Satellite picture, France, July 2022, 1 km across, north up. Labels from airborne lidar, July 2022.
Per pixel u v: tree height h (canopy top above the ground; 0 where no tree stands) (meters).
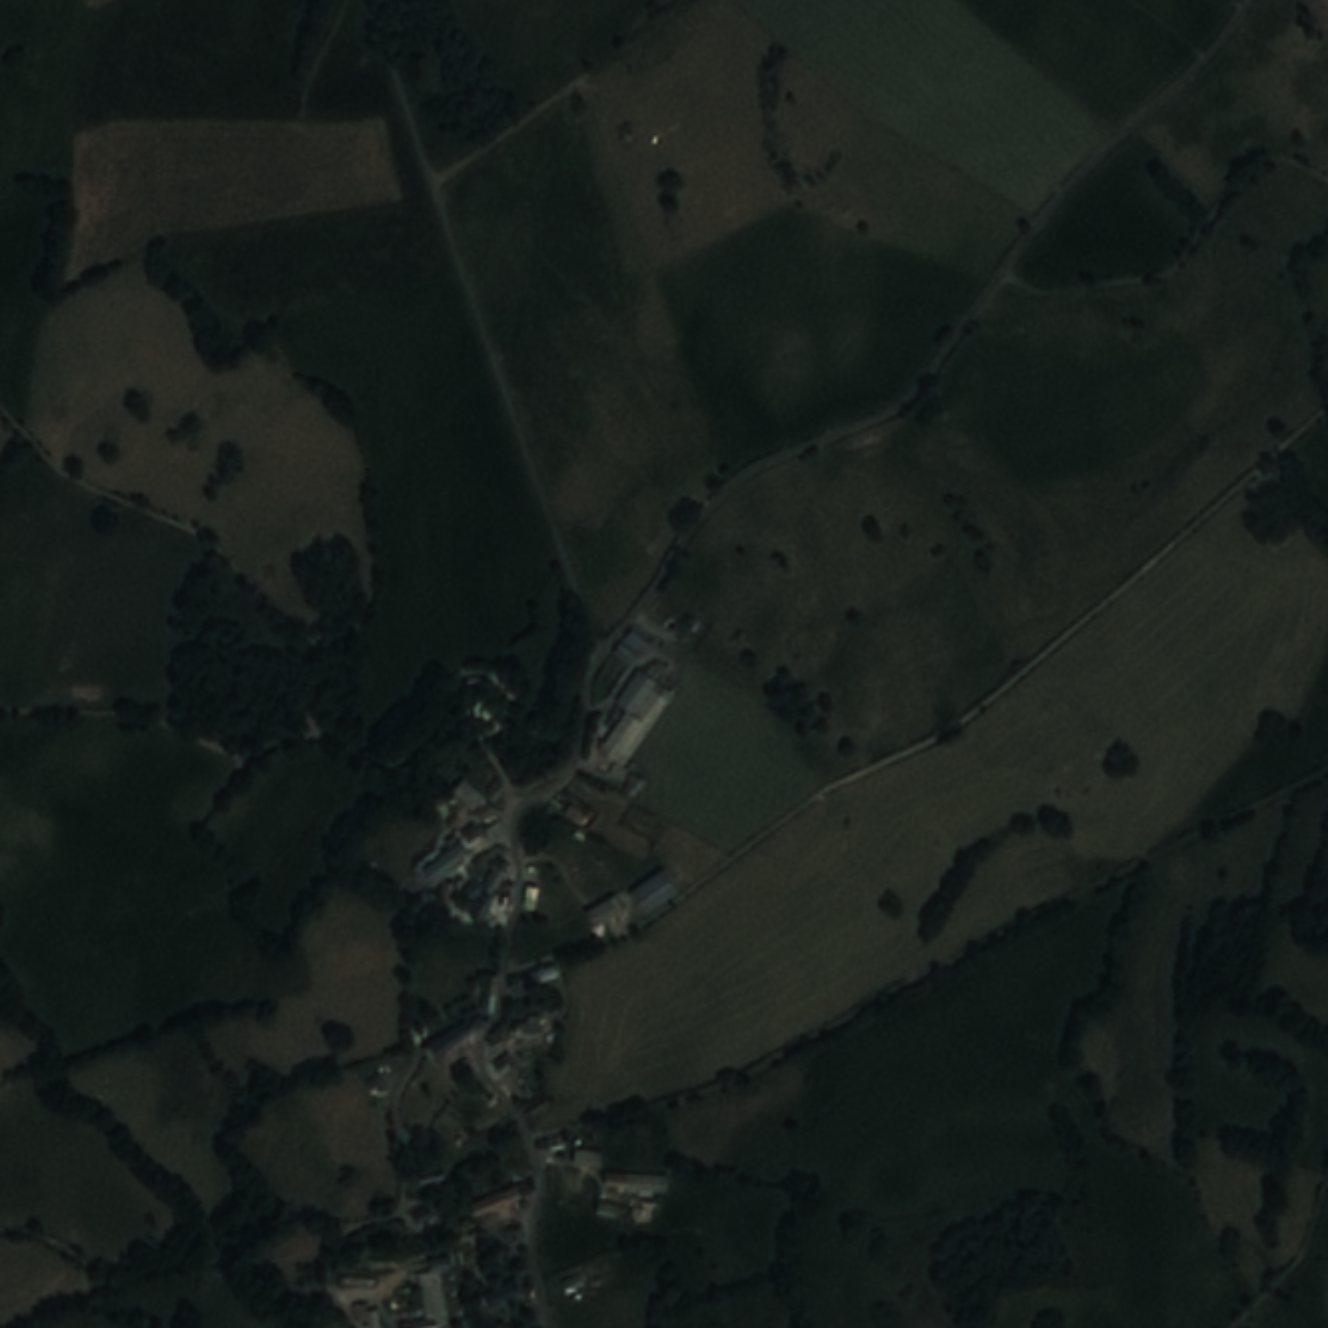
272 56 0
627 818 0
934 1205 0
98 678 0
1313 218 0
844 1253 0
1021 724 0
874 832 0
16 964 0
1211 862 0
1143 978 0
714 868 0
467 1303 13
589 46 0
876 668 0
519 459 0
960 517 6
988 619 0
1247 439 0
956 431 0
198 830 13
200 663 16
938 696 0
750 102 0
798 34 0
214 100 0
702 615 0
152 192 0
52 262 14
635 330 0
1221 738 0
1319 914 19
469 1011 7
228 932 0
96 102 0
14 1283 0
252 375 0
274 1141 0
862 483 0
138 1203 0
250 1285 22
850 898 0
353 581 16
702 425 0
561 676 24
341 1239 16
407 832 0
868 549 0
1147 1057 0
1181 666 0
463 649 0
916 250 0
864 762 0
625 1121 13
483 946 0
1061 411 0
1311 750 0
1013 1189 0
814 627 0
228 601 0
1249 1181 0
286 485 0
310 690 15
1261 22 0
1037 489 0
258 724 12
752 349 0
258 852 0
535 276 0
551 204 0
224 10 0
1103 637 0
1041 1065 0
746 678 0
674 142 0
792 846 0
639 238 0
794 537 0
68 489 0
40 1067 18
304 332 0
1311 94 0
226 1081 8
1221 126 0
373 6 14
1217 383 0
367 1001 0
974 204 0
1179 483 0
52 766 0
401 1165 15
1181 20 0
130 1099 0
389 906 16
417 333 0
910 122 0
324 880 7
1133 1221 0
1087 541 0
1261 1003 12
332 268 0
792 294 0
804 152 0
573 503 0
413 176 0
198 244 0
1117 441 0
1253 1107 0
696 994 0
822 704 11
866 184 0
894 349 0
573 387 0
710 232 0
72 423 0
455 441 0
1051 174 0
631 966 0
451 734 17
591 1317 0
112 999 0
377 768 19
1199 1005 18
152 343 0
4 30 0
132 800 0
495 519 0
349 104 0
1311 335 8
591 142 0
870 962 0
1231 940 19
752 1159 0
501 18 0
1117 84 0
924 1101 0
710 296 0
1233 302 0
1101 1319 0
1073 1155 9
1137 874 9
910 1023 0
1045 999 0
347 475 0
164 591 0
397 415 0
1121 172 0
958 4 0
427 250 0
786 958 0
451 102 6
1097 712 0
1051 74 0
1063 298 0
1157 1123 0
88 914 0
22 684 0
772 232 0
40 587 0
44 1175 0
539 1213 0
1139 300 0
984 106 0
